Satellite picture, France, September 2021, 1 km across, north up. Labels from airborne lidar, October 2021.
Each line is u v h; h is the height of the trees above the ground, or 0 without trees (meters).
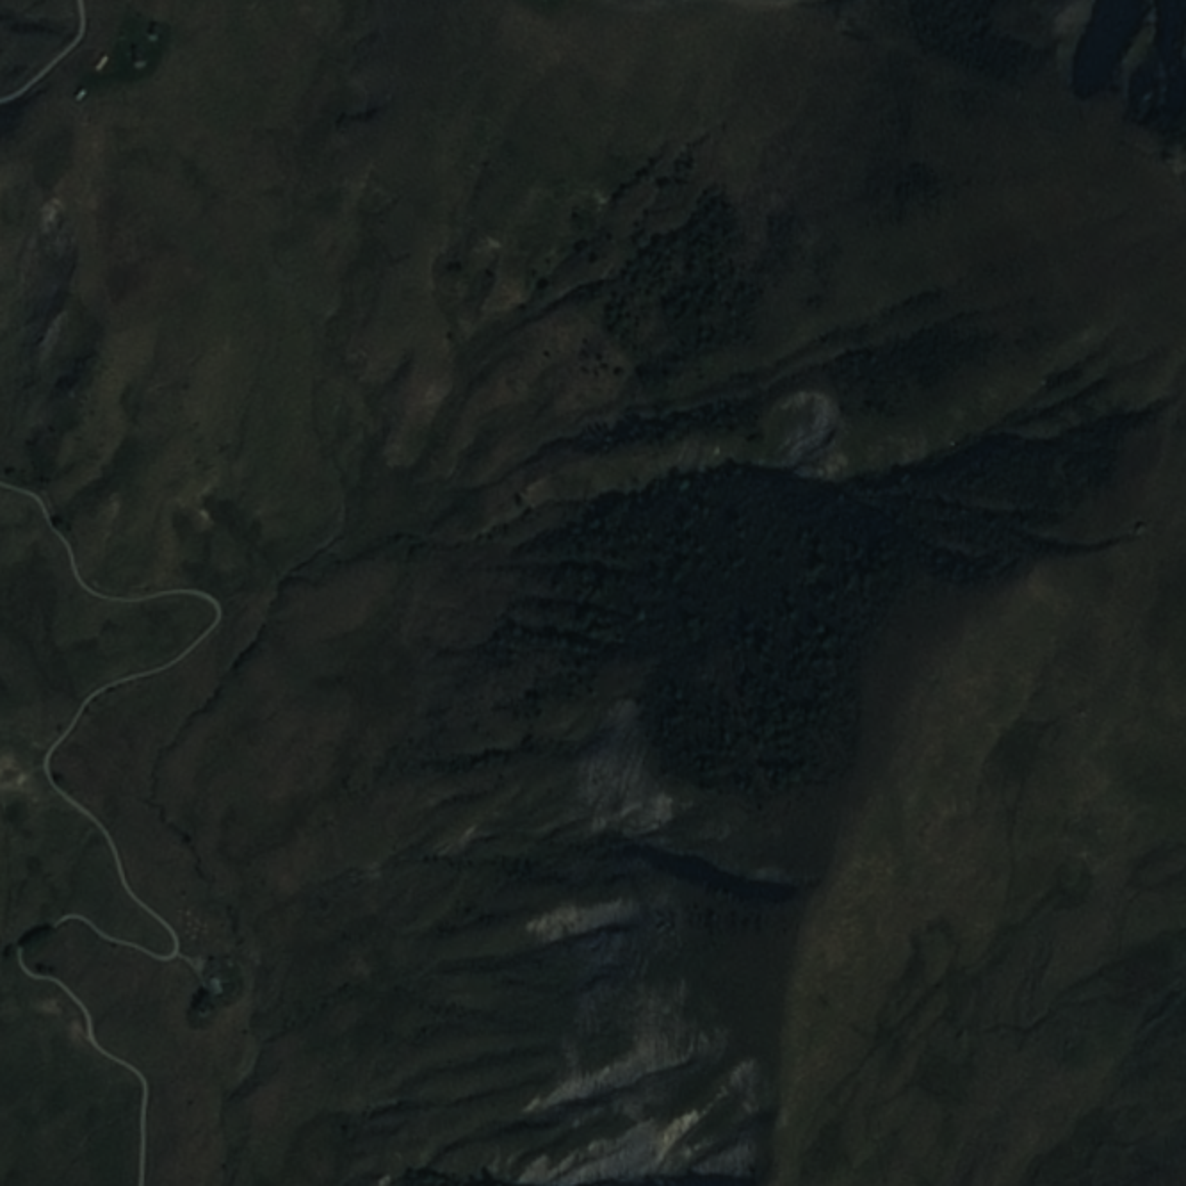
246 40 0
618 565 6
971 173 0
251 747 0
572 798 0
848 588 7
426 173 0
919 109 0
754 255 0
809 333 0
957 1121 0
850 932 0
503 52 0
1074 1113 0
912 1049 0
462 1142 0
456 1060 0
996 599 0
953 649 0
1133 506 0
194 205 0
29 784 0
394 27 0
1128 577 0
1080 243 0
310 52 0
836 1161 0
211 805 0
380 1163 0
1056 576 0
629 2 0
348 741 0
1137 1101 0
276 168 0
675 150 0
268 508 0
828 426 0
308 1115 0
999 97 0
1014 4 0
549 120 0
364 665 0
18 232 0
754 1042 0
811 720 10
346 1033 0
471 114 0
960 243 0
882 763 0
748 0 0
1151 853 0
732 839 0
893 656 0
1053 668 0
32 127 0
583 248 8
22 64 0
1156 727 0
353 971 0
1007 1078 0
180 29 0
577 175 0
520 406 0
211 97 0
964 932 0
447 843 0
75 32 0
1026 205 0
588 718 0
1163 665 0
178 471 0
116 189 0
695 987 0
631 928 0
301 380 0
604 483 0
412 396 0
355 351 0
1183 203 0
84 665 0
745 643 8
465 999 0
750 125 0
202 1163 0
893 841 0
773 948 0
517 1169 0
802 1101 0
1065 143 0
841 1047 0
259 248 0
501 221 0
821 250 0
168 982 0
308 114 0
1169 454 0
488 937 0
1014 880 0
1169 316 0
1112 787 0
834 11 0
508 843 0
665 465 0
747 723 6
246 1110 0
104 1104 0
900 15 0
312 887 0
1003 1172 0
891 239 0
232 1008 0
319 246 0
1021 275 0
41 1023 0
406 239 0
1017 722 0
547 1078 0
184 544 0
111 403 0
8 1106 0
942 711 0
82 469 0
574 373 0
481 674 0
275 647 0
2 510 0
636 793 0
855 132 0
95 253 0
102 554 0
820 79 0
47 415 0
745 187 0
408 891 0
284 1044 0
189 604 0
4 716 0
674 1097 0
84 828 0
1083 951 0
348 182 0
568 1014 0
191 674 0
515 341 0
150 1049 0
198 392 0
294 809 0
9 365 0
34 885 0
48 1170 0
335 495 0
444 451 0
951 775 0
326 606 0
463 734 0
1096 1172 0
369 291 0
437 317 0
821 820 0
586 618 7
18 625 0
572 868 0
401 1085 0
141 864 0
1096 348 0
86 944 0
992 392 0
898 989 0
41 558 0
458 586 0
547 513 0
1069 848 0
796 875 0
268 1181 0
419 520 0
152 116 0
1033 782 0
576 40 0
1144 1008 0
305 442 0
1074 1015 0
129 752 0
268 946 0
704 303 7
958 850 0
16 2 0
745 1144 0
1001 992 0
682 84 0
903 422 0
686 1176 0
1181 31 0
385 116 0
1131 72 0
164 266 0
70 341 0
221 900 0
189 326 0
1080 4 0
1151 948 0
